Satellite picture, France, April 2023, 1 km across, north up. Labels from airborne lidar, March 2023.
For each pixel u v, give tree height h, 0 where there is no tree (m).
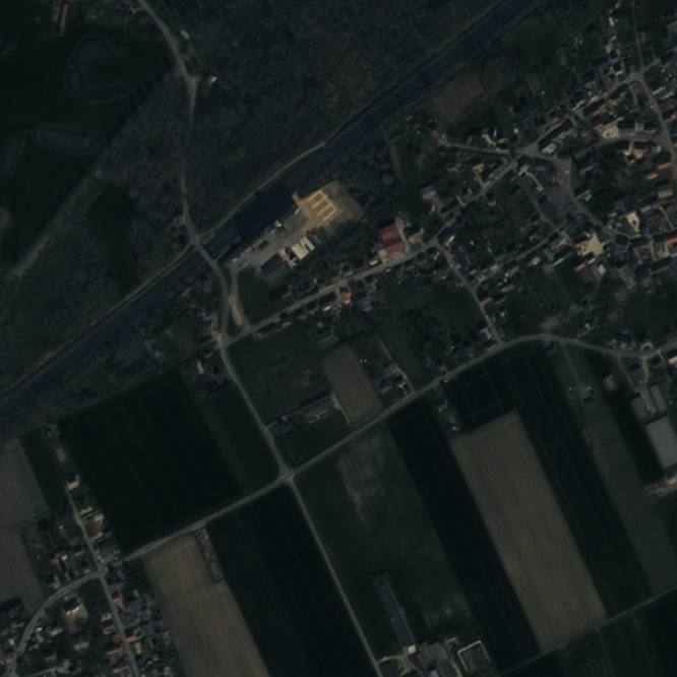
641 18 0
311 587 0
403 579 0
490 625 0
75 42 0
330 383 0
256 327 0
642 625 0
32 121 0
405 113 30
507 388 0
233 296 0
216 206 26
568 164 0
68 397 21
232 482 0
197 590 0
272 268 0
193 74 9
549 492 0
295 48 34
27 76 0
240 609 0
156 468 0
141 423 0
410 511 0
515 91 0
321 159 0
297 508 0
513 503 0
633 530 0
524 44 0
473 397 0
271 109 38
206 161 18
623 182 0
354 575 0
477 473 0
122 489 0
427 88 25
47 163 0
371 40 18
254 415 0
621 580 0
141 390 0
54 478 0
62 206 12
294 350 0
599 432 0
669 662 0
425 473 0
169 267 0
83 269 23
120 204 0
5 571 0
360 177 6
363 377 0
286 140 24
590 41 0
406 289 9
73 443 0
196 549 0
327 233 0
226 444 0
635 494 0
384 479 0
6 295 32
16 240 0
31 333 0
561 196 0
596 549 0
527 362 0
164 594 0
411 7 20
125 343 18
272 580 0
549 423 0
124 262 0
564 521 0
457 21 35
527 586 0
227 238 0
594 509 0
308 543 0
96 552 0
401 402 0
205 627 0
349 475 0
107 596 0
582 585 0
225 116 37
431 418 0
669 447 0
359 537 0
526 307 0
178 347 0
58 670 0
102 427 0
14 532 0
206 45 35
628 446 0
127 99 0
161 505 0
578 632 0
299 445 0
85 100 0
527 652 0
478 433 0
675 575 0
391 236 0
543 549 0
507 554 0
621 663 0
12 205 0
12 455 0
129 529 0
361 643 0
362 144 6
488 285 5
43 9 0
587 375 0
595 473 0
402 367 0
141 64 0
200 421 0
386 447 0
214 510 0
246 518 0
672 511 0
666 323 0
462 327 0
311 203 0
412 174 0
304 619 0
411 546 0
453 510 0
